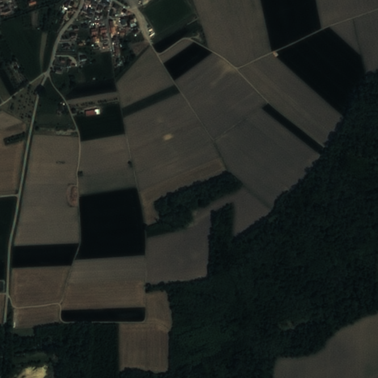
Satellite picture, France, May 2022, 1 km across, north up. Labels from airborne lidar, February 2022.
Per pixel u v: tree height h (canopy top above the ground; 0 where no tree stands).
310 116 0
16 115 0
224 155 0
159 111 0
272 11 0
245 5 0
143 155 0
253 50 0
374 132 27
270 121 0
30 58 0
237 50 0
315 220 26
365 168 0
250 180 0
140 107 0
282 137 0
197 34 0
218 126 0
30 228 0
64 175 0
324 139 0
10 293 0
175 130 0
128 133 0
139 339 0
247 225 0
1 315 0
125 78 0
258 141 0
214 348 0
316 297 23
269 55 0
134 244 0
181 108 0
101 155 0
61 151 0
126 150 0
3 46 0
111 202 0
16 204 0
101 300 0
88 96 0
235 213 0
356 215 21
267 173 0
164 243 0
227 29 0
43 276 0
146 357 0
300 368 0
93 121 0
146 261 0
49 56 0
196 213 0
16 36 0
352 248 9
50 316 0
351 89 0
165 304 0
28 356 0
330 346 0
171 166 0
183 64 0
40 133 0
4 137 0
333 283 23
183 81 0
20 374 0
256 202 0
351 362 0
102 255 0
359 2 0
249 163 0
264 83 0
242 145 0
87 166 0
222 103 0
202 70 0
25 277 0
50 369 0
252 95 0
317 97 0
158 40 0
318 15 0
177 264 0
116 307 0
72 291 0
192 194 24
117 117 0
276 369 0
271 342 19
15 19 0
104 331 0
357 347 0
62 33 0
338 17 0
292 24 0
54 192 0
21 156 0
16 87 7
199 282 20
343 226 21
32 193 0
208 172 0
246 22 0
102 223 0
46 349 26
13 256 0
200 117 0
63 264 0
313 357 0
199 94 0
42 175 0
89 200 0
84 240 0
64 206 0
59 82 0
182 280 0
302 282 18
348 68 0
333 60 0
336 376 0
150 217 0
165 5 0
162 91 0
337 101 0
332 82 0
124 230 0
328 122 0
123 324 0
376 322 0
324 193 25
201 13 0
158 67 0
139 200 0
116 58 0
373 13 0
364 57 0
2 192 0
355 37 0
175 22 0
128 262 0
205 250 0
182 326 0
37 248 0
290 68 0
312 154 0
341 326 13
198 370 25
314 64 0
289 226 26
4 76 0
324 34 0
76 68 0
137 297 0
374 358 0
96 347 0
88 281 0
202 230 0
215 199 8
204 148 0
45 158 0
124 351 0
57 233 0
